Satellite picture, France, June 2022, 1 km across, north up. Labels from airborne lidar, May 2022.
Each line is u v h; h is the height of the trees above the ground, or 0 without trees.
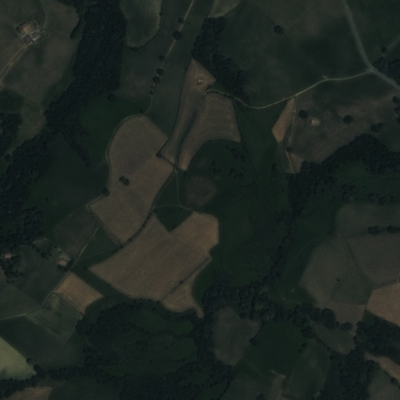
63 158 0
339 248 0
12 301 0
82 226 0
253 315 14
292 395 0
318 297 0
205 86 0
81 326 12
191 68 0
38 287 0
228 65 16
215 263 0
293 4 0
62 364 0
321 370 0
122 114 0
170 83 0
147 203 0
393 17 0
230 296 15
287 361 0
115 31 23
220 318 0
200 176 0
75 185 0
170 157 0
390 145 0
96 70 22
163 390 15
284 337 0
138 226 0
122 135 0
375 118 0
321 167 11
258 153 0
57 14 0
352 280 0
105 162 0
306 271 0
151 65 0
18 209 18
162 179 0
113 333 7
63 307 0
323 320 24
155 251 0
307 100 0
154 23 0
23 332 0
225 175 0
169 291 0
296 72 0
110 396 0
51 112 15
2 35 0
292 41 0
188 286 0
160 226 0
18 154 10
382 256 0
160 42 0
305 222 0
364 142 19
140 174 0
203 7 0
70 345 0
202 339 10
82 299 0
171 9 0
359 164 0
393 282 0
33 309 0
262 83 0
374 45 0
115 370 0
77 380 0
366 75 0
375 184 0
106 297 0
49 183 0
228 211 0
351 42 0
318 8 0
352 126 0
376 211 0
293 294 0
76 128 8
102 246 0
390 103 0
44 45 0
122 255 0
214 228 0
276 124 0
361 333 10
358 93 0
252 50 0
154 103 0
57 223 0
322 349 0
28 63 0
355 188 10
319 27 0
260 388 0
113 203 0
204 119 0
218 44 12
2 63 0
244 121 0
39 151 18
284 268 0
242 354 0
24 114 0
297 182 17
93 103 0
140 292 0
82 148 6
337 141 0
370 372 14
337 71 0
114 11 15
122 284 0
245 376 0
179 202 0
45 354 0
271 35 0
